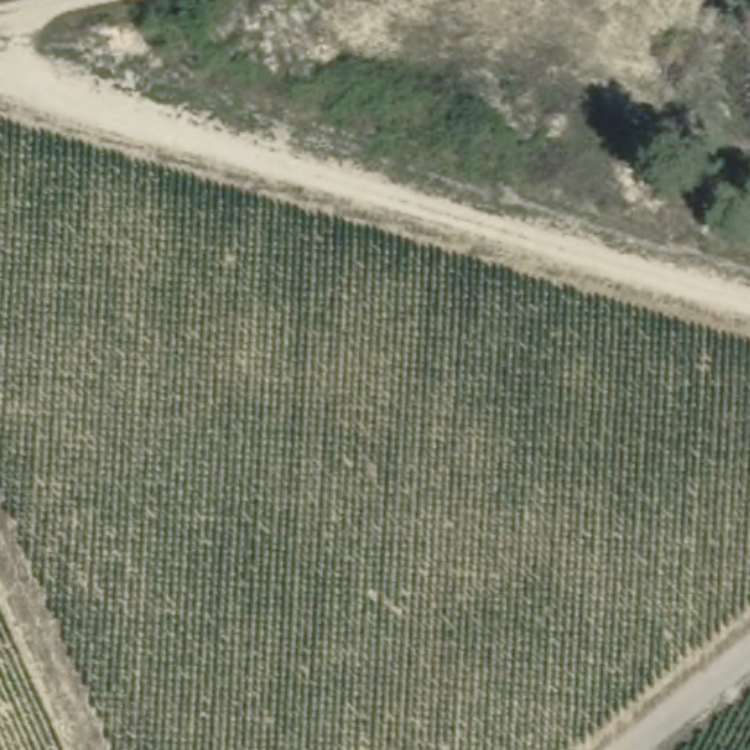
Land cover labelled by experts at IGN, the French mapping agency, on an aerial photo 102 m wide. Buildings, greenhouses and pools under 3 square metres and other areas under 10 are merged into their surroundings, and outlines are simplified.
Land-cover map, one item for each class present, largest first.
<instances>
[{"label":"vineyard","instance_id":"1","mask_svg":"<svg viewBox=\"0 0 750 750\"><path fill-rule=\"evenodd\" d=\"M64 126L59 123V117L44 114L26 103H6L0 97V521L6 516L18 519V542L32 563V574L44 589L47 609L59 624L64 656L70 659L79 683L88 688V703L97 709V718L103 721V732L111 750H606L612 741L636 729L639 721H645L674 691H680L691 677L706 671L732 645L750 636V316L712 311L683 296L621 284L615 278L595 275L577 267H554L545 255L527 249L498 246L466 231H442L398 211L354 208L352 199L325 190H308L293 182H270L258 173L205 161L193 152L173 155L158 144L129 141L97 126H79L70 138H62L59 132ZM0 750H64L12 633L0 624ZM680 741H665L659 744V750H750V686L738 694V700L715 709L706 724L694 729L686 727L677 735Z\"/></svg>","mask_w":750,"mask_h":750},{"label":"herbaceous vegetation","instance_id":"2","mask_svg":"<svg viewBox=\"0 0 750 750\"><path fill-rule=\"evenodd\" d=\"M85 12H64L35 32L38 56L64 59L91 76L108 79L117 94H141L161 105L202 111L211 120L226 123L231 132H258L267 141L284 138L293 152H305L319 161H352L360 155L354 132L328 126L319 108L296 111L287 97L264 94V82H270L275 73L308 76L316 62H331L337 53L349 50L375 59L398 56L401 62L428 64L434 70H439L445 62H454L460 76L472 82V91L480 100H486L489 108H495L504 117V123L513 132H519V138H530L533 129H542L554 141L536 149L530 161L519 173H510L504 185H478L437 173L428 149L422 152V158L410 164L401 155L384 158L372 146L357 164L360 170L381 173L396 185H407L419 193L442 196L483 214L542 220L545 229L568 237H598L606 249L624 255H639L683 270L700 267L721 278H735L750 287V226L724 237L712 226L694 220L686 199H653L647 185L633 179L627 161L636 155L639 146H650L656 135L665 132H677L680 138H709L721 149L732 146L750 158V9L744 21H732L706 0H234L226 21L211 26L208 32L214 41H223V50L229 56L246 53L252 64H258L252 79H240L217 70L188 41L152 50L138 35V29L146 23L149 6L155 0H82ZM0 571L18 586L15 609L23 621L29 650L38 656L44 668L47 688L56 706H62L64 718L70 721L76 750H111L103 732V721L97 718V709L88 703V688L79 683L70 659L64 656L59 624L47 609L44 589L32 574V563L18 542V519L6 516L0 521Z\"/></svg>","mask_w":750,"mask_h":750},{"label":"pervious surface","instance_id":"3","mask_svg":"<svg viewBox=\"0 0 750 750\"><path fill-rule=\"evenodd\" d=\"M64 12H85L82 0H0V97L6 103H26L44 114L59 117V123L64 126L59 132L62 138H70L79 126H97L129 141L158 144L173 155L193 152L205 161L258 173L270 182H293L308 190H325L352 199L354 208L398 211L442 231H466L498 246L527 249L545 255L554 267H577L595 275L615 278L621 284L683 296L712 311L750 316V287L735 278H721L700 267L683 270L639 255H624L606 249L598 237H568L545 229L542 220L483 214L442 196L419 193L407 185H396L381 173L360 170L357 164L352 161H319L305 152H293L284 138L267 141L258 132H231L226 123L211 120L202 111L161 105L141 94H117L108 79L91 76L64 59L38 56L35 32ZM18 586L0 571V624L12 633L64 750H76L70 721L64 718L62 706H56L47 688L44 668L38 656L29 650L23 621L15 609Z\"/></svg>","mask_w":750,"mask_h":750},{"label":"brushwood","instance_id":"4","mask_svg":"<svg viewBox=\"0 0 750 750\"><path fill-rule=\"evenodd\" d=\"M234 0H155L149 6L146 23L138 29V35L152 50L188 41L217 70L240 79H252L258 64H252L246 53L229 56L223 50V41H214L208 32L211 26L226 21ZM264 94L287 97L296 111L319 108L328 126L354 132L360 155L352 161L357 164L372 146L384 158L401 155L410 164L422 158V152L428 149L437 173L478 185H504L510 173H519L530 161L536 149L554 141L542 129H533L530 138H519V132H513L504 123V117L495 108H489L486 100H480L472 91V82L460 76L454 62H445L439 70H434L428 64L401 62L398 56L375 59L349 50L337 53L331 62H316L308 76L275 73L270 82H264Z\"/></svg>","mask_w":750,"mask_h":750},{"label":"coniferous trees","instance_id":"5","mask_svg":"<svg viewBox=\"0 0 750 750\"><path fill-rule=\"evenodd\" d=\"M732 21H744L750 9V0H706ZM633 179L647 185L653 199H686L694 220L712 226L724 237L750 226V158L732 146L721 149L709 138H680L677 132H665L656 135L650 146H639L636 155L627 161Z\"/></svg>","mask_w":750,"mask_h":750},{"label":"impervious surface","instance_id":"6","mask_svg":"<svg viewBox=\"0 0 750 750\"><path fill-rule=\"evenodd\" d=\"M750 686V636L732 645L706 671L691 677L680 691H674L645 721H639L636 729L612 741L606 750H659V744L665 741H680L677 735L686 727L694 729L706 724L715 709L738 700V694Z\"/></svg>","mask_w":750,"mask_h":750}]
</instances>
